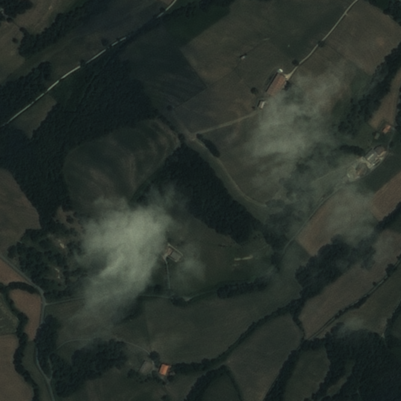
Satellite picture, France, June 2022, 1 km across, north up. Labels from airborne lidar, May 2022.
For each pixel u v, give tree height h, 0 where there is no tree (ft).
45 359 46
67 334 0
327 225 0
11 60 0
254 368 0
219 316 0
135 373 38
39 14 0
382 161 0
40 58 0
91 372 57
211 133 0
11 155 38
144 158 0
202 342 0
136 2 0
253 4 0
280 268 29
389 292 0
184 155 56
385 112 0
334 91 0
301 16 0
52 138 34
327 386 40
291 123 0
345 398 33
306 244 0
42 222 52
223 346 0
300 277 41
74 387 58
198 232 0
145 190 28
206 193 51
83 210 0
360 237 0
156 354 55
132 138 0
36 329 0
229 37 0
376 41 0
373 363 32
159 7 0
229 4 62
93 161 0
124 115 46
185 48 0
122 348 47
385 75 48
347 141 0
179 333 0
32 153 52
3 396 0
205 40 0
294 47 0
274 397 38
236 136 0
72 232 40
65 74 0
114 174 0
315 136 0
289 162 0
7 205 0
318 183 0
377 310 0
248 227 63
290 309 41
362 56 0
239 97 0
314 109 0
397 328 0
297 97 0
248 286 46
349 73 0
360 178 0
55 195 42
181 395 0
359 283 0
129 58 0
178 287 0
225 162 0
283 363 0
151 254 24
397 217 41
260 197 0
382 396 24
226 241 0
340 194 0
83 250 23
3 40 0
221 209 39
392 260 0
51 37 62
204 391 37
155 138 0
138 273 0
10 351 0
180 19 0
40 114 0
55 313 0
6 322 0
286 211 59
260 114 0
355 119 58
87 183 0
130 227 47
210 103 0
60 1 0
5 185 0
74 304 0
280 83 0
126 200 0
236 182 0
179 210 0
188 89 0
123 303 78
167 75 0
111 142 0
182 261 0
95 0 46
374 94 49
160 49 0
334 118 0
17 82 21
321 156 22
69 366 38
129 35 26
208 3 80
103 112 45
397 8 53
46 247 54
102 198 0
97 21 0
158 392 0
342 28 0
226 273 0
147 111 68
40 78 75
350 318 0
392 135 0
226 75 0
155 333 0
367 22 0
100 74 35
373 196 0
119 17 0
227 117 0
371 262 53
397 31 0
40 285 49
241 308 0
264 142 0
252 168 0
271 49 0
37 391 47
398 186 0
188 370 63
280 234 61
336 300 0
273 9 0
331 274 52
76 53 0
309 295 53
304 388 0
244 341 19
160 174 29
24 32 55
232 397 0
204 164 72
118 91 52
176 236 0
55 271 0
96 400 0
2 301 0
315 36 0
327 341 55
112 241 41
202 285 0
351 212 0
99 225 43
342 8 0
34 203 47
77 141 49
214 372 49
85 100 38
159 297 0
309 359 0
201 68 0
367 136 0
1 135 62
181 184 85
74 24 70
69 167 0
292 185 55
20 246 54
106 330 0
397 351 0
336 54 0
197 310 0
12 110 46
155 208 37
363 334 68
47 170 42
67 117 54
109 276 61
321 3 0
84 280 72
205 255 0
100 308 0
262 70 0
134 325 0
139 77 0
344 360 45
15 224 0
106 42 61
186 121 0
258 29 0
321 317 0
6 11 45
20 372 56
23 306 0
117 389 0
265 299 0
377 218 0
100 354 69
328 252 60
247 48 0
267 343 0
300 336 0
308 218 0
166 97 0
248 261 0
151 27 59
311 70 0
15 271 0
